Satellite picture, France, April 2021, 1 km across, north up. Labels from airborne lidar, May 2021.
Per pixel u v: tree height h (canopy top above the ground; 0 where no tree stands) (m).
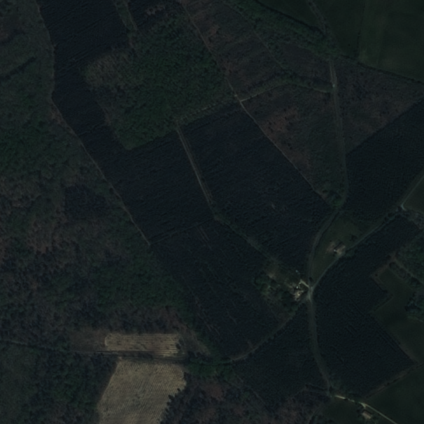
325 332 13
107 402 0
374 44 0
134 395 0
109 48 11
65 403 12
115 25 10
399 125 11
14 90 26
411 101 8
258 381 10
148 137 20
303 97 10
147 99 17
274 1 0
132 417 0
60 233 10
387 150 15
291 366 13
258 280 16
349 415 0
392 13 0
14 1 22
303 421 7
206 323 7
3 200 13
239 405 22
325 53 17
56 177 18
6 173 9
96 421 10
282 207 9
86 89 9
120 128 18
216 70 17
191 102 15
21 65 8
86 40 10
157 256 9
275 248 10
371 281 12
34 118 21
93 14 13
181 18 15
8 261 10
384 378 12
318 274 0
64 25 10
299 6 0
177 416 21
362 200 15
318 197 11
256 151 7
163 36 18
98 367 25
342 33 0
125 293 23
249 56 7
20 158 24
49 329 13
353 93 7
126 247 13
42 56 18
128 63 15
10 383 15
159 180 7
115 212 21
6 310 10
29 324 9
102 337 0
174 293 19
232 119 10
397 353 13
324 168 7
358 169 12
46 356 22
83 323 12
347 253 8
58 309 16
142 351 0
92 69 17
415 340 0
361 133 7
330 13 0
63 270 8
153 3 12
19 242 14
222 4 7
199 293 11
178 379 0
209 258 12
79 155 19
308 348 14
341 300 13
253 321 10
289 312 8
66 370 22
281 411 14
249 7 22
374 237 10
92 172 17
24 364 13
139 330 14
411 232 11
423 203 0
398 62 0
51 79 12
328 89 18
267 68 6
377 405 0
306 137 11
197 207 10
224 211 12
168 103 13
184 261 10
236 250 10
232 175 10
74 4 12
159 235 8
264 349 11
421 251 17
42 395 18
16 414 14
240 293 8
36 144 19
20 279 7
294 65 7
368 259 13
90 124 12
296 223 9
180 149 10
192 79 17
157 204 9
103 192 17
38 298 13
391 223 8
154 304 14
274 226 10
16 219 14
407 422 0
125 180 6
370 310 12
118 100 17
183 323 13
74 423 31
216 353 18
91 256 19
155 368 0
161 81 15
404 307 0
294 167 10
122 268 20
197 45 9
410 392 0
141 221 9
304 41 13
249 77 6
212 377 16
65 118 11
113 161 8
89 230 12
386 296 12
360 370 12
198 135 8
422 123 14
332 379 11
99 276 21
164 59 22
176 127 6
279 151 9
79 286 26
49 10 12
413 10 0
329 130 6
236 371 12
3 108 18
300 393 6
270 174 9
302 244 8
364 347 14
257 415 16
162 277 21
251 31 7
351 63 6
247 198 10
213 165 8
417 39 0
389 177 13
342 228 0
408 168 14
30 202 26
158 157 8
